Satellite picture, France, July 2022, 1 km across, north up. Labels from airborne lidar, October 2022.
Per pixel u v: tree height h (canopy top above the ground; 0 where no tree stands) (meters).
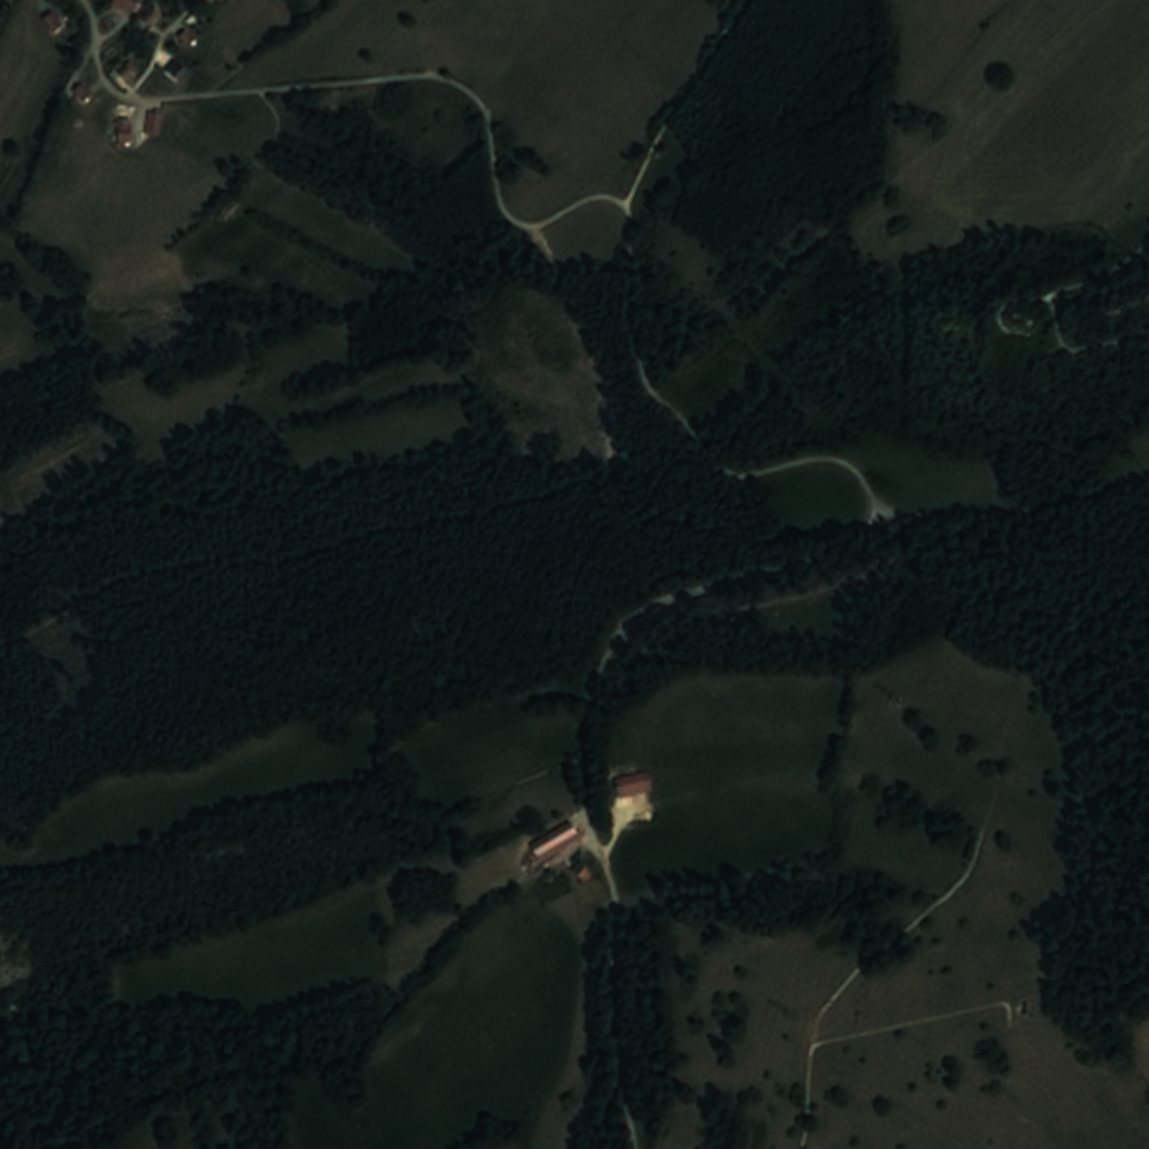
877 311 19
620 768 0
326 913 0
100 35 0
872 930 8
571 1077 0
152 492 23
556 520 26
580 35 0
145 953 21
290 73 0
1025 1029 0
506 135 8
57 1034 35
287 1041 30
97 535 26
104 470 19
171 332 0
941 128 6
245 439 25
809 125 7
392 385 0
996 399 18
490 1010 0
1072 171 0
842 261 7
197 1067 13
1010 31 0
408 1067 0
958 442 8
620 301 23
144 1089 24
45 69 0
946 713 0
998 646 19
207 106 0
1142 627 19
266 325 16
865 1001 0
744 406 28
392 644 19
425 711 26
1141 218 0
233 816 22
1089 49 0
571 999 0
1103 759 34
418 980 15
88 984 31
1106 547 25
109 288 0
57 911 14
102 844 0
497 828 0
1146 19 0
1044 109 0
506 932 0
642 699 15
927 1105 0
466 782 0
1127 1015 7
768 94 15
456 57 0
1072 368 15
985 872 0
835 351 21
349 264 18
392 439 0
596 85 0
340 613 21
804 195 11
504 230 26
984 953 0
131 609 25
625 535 20
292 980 0
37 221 0
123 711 22
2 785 22
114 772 19
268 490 29
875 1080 0
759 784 0
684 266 0
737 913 21
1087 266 8
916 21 0
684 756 0
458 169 15
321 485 24
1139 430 18
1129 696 9
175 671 24
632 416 25
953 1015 0
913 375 26
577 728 0
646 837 0
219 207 14
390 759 23
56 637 0
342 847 12
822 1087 0
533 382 0
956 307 22
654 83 0
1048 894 0
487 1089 0
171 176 0
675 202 6
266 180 0
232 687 23
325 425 11
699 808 0
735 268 17
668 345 18
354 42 0
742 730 0
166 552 23
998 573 22
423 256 23
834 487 0
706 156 17
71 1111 21
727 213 11
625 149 0
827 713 0
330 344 0
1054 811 0
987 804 0
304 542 24
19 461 29
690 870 0
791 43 15
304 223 0
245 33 0
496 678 22
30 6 0
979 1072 0
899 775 0
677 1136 0
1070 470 20
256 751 0
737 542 21
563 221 0
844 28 16
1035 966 0
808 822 0
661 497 31
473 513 21
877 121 10
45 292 0
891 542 24
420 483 26
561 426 0
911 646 8
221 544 24
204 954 0
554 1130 0
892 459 0
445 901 14
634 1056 27
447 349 23
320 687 16
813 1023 0
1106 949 9
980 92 0
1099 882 34
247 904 19
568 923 0
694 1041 0
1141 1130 0
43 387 23
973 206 0
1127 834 7
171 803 0
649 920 10
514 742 0
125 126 0
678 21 0
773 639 19
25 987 19
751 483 12
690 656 17
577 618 24
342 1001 19
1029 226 0
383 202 13
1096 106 0
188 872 12
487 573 22
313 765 0
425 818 22
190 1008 25
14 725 22
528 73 0
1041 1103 0
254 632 23
